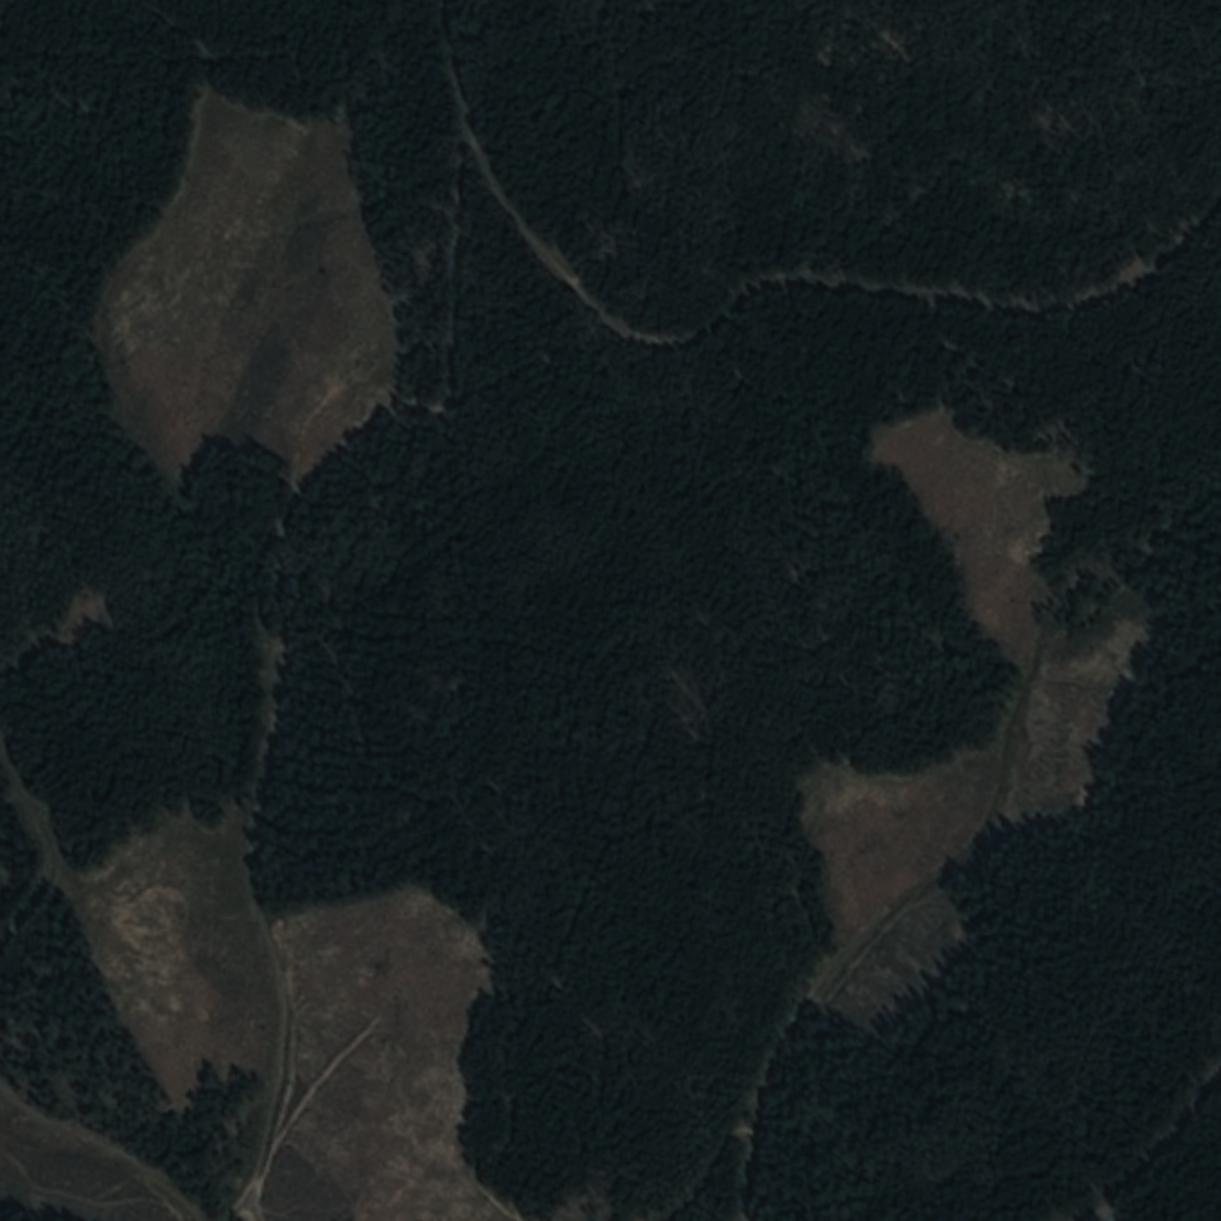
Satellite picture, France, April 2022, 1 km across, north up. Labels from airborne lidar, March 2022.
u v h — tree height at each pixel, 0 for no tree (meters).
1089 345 22
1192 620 24
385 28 25
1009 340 22
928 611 17
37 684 18
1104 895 25
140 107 21
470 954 0
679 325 18
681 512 26
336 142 0
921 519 14
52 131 19
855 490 25
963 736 20
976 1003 22
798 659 24
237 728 27
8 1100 0
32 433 24
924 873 0
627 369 19
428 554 21
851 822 0
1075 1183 22
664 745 26
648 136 24
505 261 17
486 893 16
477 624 22
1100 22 27
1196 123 24
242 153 0
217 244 0
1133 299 24
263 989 0
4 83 23
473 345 24
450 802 18
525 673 23
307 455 0
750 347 28
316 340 0
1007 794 0
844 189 19
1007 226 15
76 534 26
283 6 14
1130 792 18
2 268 20
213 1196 6
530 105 19
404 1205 0
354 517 19
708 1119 25
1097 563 18
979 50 24
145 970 0
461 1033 0
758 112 19
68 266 20
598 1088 23
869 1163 16
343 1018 0
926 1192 19
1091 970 21
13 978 8
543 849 28
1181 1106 25
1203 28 25
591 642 22
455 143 28
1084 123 20
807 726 12
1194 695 24
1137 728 23
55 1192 0
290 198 0
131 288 0
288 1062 0
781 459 27
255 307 0
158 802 27
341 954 0
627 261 21
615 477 21
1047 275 18
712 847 21
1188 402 23
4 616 25
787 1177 17
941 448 0
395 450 18
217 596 29
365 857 12
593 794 23
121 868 0
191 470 0
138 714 25
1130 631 0
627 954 17
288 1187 0
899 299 16
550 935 21
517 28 23
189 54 23
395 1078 0
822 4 23
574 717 25
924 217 17
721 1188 24
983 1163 19
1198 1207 25
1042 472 0
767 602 26
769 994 19
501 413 24
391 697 21
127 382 0
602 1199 14
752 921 14
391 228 21
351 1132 0
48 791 29
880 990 0
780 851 24
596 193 17
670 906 21
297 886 19
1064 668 0
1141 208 22
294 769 23
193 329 0
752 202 19
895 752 14
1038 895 23
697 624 23
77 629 0
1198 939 22
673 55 25
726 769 18
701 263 22
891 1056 17
